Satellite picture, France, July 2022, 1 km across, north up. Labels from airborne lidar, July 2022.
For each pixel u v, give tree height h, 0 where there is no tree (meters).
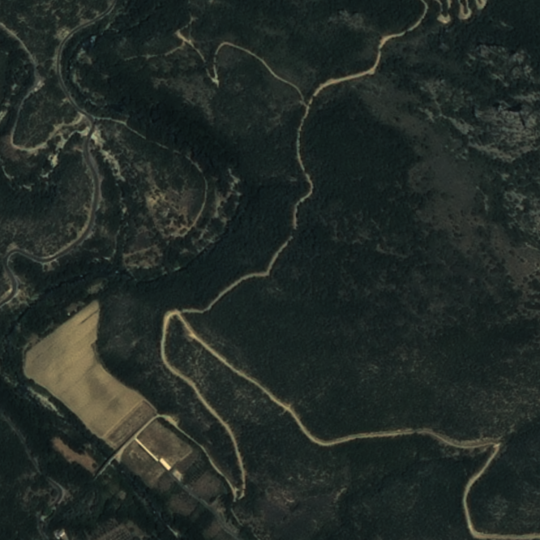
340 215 6
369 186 7
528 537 0
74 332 0
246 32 6
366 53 0
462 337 6
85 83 11
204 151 17
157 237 7
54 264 8
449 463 6
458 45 6
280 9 6
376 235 7
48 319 8
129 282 15
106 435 0
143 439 0
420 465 7
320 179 6
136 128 11
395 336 5
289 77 0
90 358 0
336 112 10
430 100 9
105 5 8
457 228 6
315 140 8
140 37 11
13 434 7
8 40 5
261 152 6
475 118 6
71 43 12
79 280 20
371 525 6
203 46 6
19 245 7
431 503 6
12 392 16
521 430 8
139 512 12
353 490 6
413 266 7
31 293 6
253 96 6
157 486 0
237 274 6
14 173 7
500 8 7
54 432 12
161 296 6
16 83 17
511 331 6
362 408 8
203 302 8
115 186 10
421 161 7
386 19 9
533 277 6
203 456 7
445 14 8
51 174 10
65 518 18
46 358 0
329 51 7
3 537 11
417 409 6
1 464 9
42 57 6
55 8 10
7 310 7
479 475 0
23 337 8
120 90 11
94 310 0
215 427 7
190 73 8
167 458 0
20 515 11
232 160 11
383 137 7
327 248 6
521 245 0
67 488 8
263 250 7
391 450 6
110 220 7
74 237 5
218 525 0
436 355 6
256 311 6
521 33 9
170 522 15
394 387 6
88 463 0
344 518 11
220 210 11
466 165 0
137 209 7
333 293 8
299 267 7
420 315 8
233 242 6
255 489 10
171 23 10
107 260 6
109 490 6
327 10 6
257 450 7
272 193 9
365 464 8
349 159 5
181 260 22
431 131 0
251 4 10
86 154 0
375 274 6
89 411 0
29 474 7
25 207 6
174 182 5
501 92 8
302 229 8
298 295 6
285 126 8
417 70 11
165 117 27
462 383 5
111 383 0
